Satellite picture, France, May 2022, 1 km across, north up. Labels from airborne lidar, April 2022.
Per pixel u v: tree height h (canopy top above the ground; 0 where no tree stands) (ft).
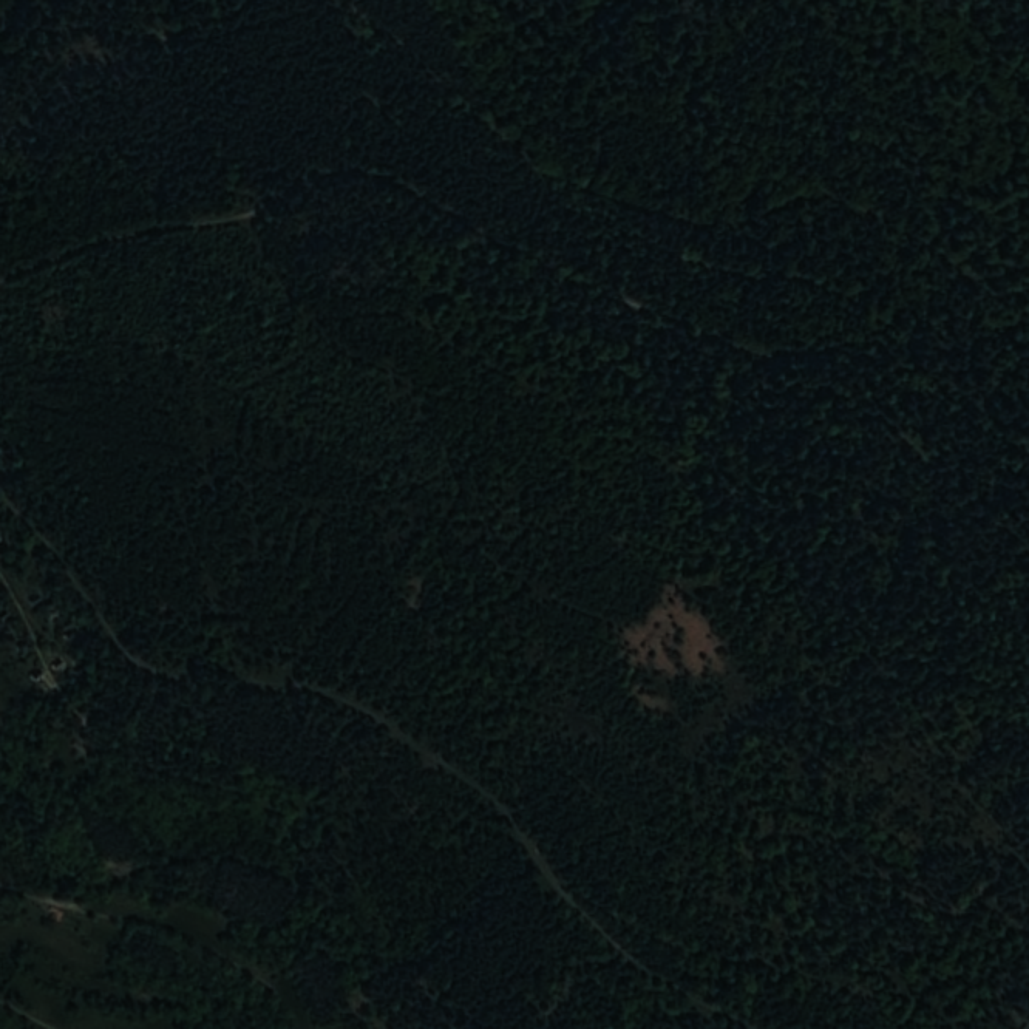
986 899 26
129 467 35
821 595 100
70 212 39
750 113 66
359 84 88
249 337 18
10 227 35
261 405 26
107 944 0
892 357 111
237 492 28
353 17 77
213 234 21
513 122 73
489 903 71
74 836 69
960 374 125
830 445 35
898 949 21
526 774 32
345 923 68
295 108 87
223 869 82
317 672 28
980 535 28
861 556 110
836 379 95
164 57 98
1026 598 99
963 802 22
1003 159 38
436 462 19
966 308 83
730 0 55
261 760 75
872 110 64
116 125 104
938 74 37
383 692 33
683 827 50
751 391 48
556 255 90
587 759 35
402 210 87
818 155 74
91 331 26
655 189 50
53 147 109
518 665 28
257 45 74
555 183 50
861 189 67
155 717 60
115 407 25
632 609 36
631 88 58
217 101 58
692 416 93
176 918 0
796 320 43
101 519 45
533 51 92
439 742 29
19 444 37
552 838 56
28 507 77
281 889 91
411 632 51
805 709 96
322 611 47
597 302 95
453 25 68
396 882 43
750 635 31
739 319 38
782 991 68
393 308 26
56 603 31
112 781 58
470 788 28
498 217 81
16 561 72
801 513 101
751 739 86
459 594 54
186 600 44
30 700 56
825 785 90
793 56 64
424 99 89
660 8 144
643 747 36
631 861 40
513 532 30
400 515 30
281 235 56
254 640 43
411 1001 94
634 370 89
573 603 28
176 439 30
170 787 57
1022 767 112
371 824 56
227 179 87
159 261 17
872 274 59
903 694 91
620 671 22
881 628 105
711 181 82
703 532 68
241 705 83
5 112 107
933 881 71
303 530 34
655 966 51
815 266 78
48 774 28
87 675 58
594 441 29
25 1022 34
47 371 31
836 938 98
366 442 23
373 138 87
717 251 72
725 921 44
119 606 35
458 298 20
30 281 22
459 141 86
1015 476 122
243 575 31
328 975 81
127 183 41
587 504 28
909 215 72
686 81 44
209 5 82
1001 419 120
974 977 59
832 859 32
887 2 115
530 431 32
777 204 36
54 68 100
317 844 78
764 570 67
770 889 76
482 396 27
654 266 85
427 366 32
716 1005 51
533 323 87
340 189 98
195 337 34
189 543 42
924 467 116
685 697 23
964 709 92
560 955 22
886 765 0
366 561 38
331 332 50
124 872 0
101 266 31
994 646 101
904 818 31
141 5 92
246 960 69
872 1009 26
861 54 32
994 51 58
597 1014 41
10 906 65
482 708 27
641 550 43
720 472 37
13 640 41
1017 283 128
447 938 85
